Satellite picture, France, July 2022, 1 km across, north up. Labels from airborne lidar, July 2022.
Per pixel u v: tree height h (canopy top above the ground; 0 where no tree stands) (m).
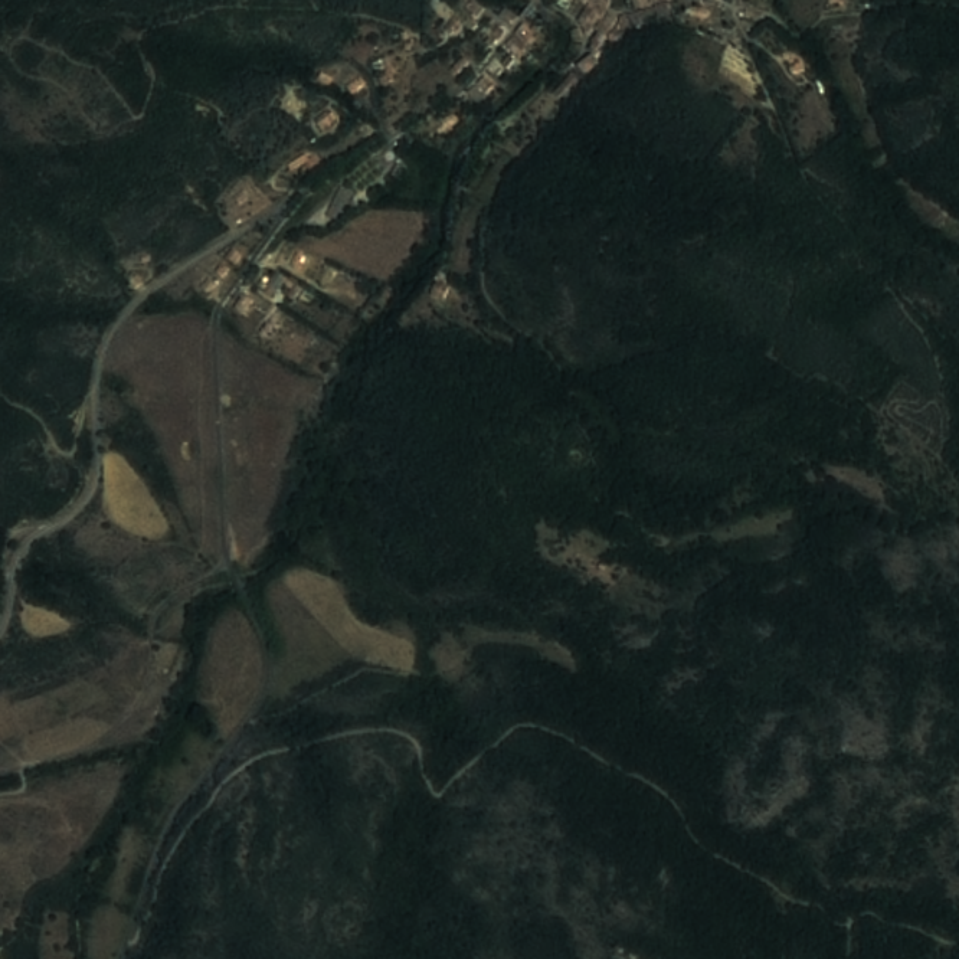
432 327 6
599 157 18
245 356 0
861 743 0
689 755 15
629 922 0
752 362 10
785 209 8
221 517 0
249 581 11
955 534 0
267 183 0
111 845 7
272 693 0
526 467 7
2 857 0
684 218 11
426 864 6
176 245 0
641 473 8
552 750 6
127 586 0
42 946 0
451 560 8
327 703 0
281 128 9
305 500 8
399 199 7
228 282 0
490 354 10
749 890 12
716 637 8
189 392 0
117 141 7
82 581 10
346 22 6
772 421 11
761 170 9
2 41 6
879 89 9
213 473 0
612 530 9
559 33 0
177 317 0
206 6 6
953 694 9
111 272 6
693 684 6
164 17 11
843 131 12
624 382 7
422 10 8
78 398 5
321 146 8
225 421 0
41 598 6
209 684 0
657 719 13
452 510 6
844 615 6
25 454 6
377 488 7
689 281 6
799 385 7
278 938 0
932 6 8
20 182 8
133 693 0
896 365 7
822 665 6
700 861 9
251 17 6
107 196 8
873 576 7
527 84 13
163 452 0
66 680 0
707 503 11
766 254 7
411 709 9
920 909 14
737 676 7
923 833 10
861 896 8
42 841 0
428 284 15
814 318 14
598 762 9
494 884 0
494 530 6
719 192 7
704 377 8
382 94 15
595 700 8
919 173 11
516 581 9
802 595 6
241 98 8
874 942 8
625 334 12
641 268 7
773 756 5
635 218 11
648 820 7
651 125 7
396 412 6
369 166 9
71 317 6
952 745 7
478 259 8
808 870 12
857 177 6
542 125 15
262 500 0
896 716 6
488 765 6
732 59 0
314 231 15
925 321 8
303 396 0
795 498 10
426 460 7
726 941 9
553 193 13
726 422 6
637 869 6
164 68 8
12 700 0
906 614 8
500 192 10
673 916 8
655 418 9
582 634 8
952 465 7
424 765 8
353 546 7
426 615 8
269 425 0
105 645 0
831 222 9
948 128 7
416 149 13
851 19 0
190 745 0
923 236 15
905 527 8
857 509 8
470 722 8
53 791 0
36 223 6
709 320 12
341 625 0
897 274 11
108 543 0
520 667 8
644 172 12
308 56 8
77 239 6
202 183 8
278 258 0
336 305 7
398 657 0
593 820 8
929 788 6
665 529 8
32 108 0
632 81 8
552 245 6
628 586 0
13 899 0
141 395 0
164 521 0
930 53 10
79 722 0
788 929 7
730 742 9
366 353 9
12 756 0
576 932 0
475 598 6
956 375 6
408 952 9
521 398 12
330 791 8
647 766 8
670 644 9
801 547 10
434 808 11
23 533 0
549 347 11
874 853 9
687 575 6
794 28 8
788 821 8
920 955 8
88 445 9
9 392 7
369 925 7
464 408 13
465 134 13
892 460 6
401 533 9
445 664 0
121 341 0
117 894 0
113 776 0
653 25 9
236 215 0
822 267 9
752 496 6
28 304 7
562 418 9
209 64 7
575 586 6
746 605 9
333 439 7
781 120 8
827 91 10
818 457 8
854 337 6
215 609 5
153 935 5
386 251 0
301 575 0
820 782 6
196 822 8
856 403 6
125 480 0
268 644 7
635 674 10
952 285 0
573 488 10
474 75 13
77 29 6
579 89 9
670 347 11
